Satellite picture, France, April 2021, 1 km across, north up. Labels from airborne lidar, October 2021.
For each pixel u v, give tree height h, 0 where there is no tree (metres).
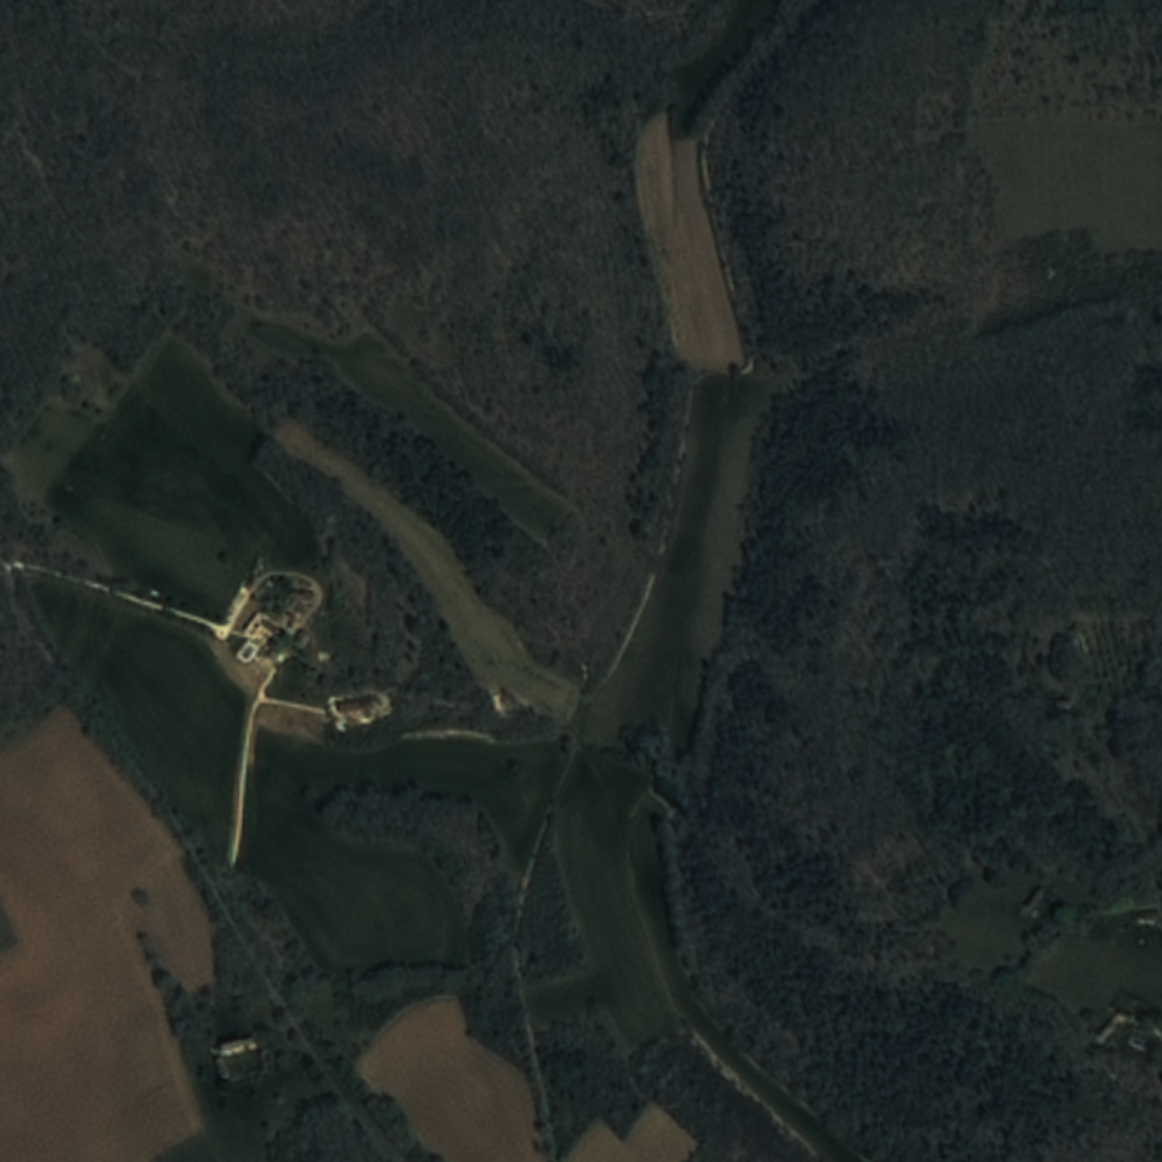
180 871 0
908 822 15
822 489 14
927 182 9
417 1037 0
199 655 0
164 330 13
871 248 5
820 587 11
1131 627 9
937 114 9
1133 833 10
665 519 9
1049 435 20
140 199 14
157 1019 0
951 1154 12
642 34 12
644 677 0
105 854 0
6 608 11
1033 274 9
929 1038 14
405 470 17
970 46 12
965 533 11
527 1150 0
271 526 0
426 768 0
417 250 12
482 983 10
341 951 0
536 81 14
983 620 12
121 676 0
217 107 12
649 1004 0
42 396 14
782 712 13
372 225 10
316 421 14
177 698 0
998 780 20
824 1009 11
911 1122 13
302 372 8
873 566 11
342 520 19
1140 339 16
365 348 0
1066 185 0
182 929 0
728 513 0
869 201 10
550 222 12
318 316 12
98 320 20
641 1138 0
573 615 7
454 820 13
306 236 9
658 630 0
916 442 10
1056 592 24
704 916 8
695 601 0
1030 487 17
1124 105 15
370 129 10
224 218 11
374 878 0
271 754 0
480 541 14
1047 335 19
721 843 11
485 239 14
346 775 0
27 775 0
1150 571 21
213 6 9
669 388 13
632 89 11
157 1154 0
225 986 12
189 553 0
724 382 0
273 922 12
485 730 13
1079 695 17
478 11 14
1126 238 0
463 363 9
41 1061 0
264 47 16
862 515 11
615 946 0
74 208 16
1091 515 20
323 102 11
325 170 12
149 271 12
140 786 12
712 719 13
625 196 7
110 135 12
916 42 10
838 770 15
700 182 0
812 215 8
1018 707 19
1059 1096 16
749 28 0
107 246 15
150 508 0
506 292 9
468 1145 0
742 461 0
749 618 12
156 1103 0
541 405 10
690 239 0
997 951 0
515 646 0
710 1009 16
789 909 12
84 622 0
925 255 8
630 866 0
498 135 10
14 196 16
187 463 0
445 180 15
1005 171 0
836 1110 7
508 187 13
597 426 9
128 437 0
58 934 0
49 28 21
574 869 0
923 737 18
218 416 0
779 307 10
